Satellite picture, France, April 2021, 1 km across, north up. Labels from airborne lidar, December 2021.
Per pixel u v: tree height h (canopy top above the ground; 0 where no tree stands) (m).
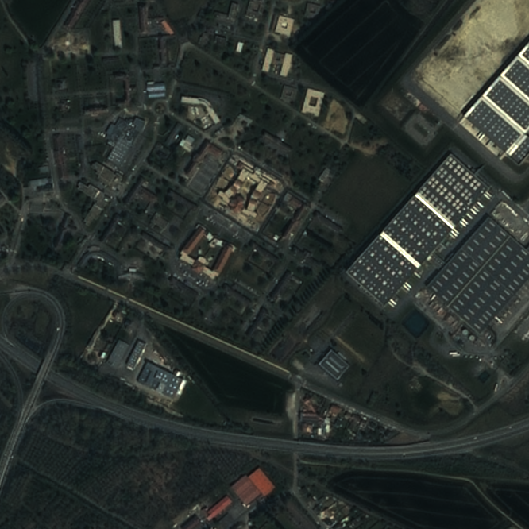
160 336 14
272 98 0
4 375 26
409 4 20
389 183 0
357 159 0
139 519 16
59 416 33
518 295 0
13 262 0
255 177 0
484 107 0
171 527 0
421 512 0
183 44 0
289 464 0
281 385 0
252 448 0
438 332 0
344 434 0
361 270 0
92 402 0
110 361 0
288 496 14
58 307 0
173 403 0
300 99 0
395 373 0
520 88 0
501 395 0
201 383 14
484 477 0
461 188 0
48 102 23
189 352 0
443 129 0
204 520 0
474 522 0
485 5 0
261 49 0
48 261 14
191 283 0
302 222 0
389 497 0
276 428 0
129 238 23
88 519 7
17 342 0
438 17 0
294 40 17
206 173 0
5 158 0
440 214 0
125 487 6
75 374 10
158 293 17
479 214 0
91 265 18
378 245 0
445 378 7
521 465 0
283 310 18
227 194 0
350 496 0
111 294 0
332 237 15
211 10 9
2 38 0
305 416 0
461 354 0
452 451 0
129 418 0
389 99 0
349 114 8
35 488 12
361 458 0
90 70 13
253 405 0
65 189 21
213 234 0
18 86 0
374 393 9
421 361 9
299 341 0
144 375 0
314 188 15
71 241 21
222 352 0
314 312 0
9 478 9
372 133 13
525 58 0
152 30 0
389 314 0
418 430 0
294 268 0
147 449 11
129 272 0
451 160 0
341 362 0
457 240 0
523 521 0
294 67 6
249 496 0
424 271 0
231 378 0
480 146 0
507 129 0
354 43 0
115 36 0
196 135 0
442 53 0
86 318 0
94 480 29
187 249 0
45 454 32
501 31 0
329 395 0
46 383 13
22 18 0
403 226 0
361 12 0
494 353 0
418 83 0
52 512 7
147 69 18
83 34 0
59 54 0
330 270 6
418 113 0
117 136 0
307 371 0
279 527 33
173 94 0
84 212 11
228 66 0
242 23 13
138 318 20
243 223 0
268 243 0
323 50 0
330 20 0
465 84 0
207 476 15
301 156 11
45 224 22
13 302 0
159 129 0
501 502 0
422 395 0
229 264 0
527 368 0
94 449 13
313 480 15
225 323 7
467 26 0
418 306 0
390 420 0
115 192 0
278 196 0
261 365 0
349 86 0
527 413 0
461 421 0
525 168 0
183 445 20
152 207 0
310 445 0
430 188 0
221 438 0
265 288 18
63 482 31
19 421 0
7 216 8
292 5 0
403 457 0
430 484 0
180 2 0
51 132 15
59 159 0
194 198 0
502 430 0
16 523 13
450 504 0
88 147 16
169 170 18
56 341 0
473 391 0
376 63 0
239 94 10
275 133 0
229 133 11
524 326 0
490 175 0
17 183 11
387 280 0
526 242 0
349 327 0
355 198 0
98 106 0
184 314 13
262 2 0
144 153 0
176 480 26
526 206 0
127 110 0
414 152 0
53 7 0
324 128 0
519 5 0
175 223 0
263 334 14
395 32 0
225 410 0
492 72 0
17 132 0
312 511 0
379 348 0
